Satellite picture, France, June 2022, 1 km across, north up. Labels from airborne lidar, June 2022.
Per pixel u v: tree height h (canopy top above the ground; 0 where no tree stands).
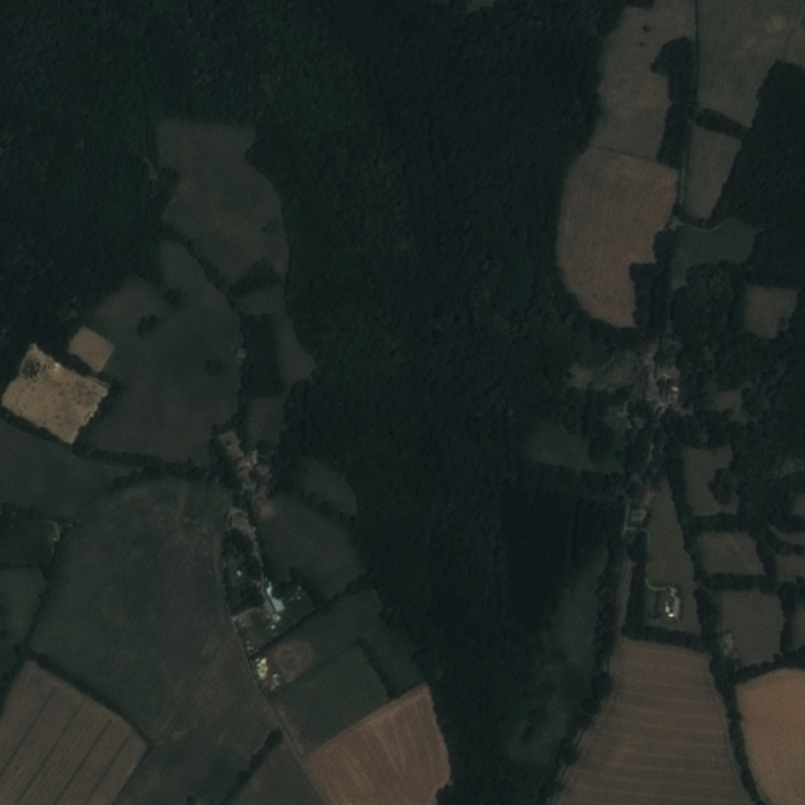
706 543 0
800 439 12
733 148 0
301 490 14
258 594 11
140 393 0
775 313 0
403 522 15
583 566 19
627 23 0
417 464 9
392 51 25
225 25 23
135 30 14
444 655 15
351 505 0
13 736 0
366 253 20
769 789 0
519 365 21
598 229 0
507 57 20
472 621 20
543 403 21
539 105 20
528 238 14
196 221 0
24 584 0
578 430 10
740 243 0
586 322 18
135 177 12
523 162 20
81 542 0
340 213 20
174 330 0
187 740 0
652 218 0
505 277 8
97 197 7
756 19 0
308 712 0
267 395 13
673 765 0
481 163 19
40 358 0
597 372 0
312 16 21
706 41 0
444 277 19
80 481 0
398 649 0
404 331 25
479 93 28
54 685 0
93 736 0
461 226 17
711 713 0
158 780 0
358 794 0
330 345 17
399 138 23
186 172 0
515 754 0
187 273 0
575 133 17
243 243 0
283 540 0
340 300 15
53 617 0
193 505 0
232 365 0
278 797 0
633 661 0
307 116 17
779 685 0
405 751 0
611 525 17
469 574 14
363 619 0
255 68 18
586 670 0
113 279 17
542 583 16
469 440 13
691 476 0
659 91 0
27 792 0
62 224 7
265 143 10
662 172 0
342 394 22
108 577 0
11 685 10
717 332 21
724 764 0
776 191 16
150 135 8
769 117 13
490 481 20
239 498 12
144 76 10
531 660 13
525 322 15
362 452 15
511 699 9
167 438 0
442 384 11
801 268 15
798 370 19
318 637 0
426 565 11
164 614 0
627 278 0
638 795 0
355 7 22
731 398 0
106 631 0
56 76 15
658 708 0
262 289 6
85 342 0
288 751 0
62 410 0
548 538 15
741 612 0
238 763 0
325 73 20
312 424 22
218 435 7
